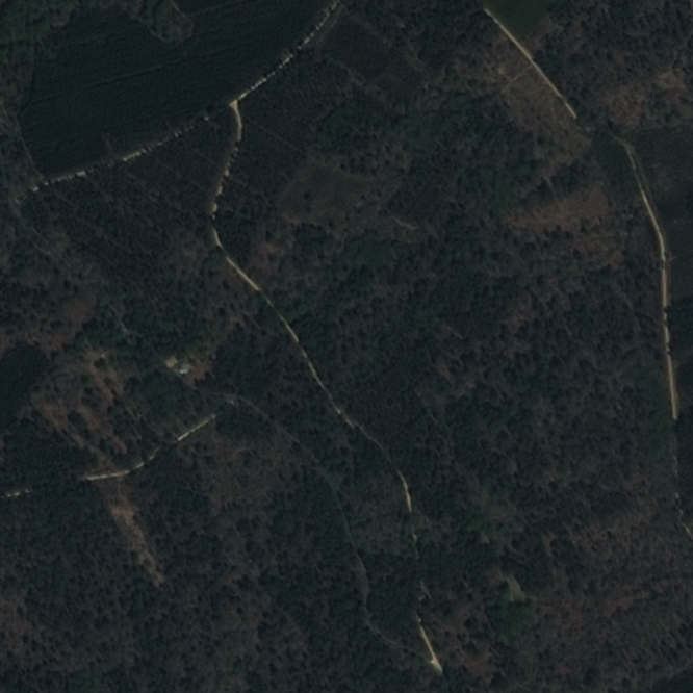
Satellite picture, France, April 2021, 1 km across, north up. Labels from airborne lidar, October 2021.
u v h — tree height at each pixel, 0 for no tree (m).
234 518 17
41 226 16
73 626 26
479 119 17
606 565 10
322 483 14
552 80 23
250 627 13
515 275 16
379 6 21
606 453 14
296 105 13
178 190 17
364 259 14
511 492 19
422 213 17
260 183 17
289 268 15
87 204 20
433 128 15
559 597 10
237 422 18
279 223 13
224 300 8
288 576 16
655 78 13
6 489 17
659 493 15
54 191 15
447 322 14
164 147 19
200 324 18
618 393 16
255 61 16
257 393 17
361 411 14
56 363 18
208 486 12
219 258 11
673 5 6
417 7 9
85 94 12
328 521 23
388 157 7
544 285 19
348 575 24
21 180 10
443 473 13
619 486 22
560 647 6
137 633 8
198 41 12
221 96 14
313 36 15
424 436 17
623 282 13
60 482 22
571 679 13
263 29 13
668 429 20
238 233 18
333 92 18
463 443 18
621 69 7
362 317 22
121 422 18
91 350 13
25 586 15
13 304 17
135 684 7
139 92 16
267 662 9
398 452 18
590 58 16
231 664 14
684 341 22
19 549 22
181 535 15
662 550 9
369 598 10
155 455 8
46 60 13
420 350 18
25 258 14
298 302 13
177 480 18
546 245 7
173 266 6
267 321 22
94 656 27
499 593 18
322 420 22
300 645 10
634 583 12
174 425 13
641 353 17
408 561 13
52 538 15
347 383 12
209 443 6
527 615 16
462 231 22
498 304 14
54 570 18
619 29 20
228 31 11
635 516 17
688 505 20
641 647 15
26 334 8
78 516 17
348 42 8
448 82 12
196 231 16
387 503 8
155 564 7
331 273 13
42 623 16
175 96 13
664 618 16
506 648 15
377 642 19
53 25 14
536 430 13
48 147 11
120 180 17
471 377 19
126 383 10
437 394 17
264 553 7
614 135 19
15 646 6
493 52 6
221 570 20
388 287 10
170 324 13
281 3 14
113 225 19
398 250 16
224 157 15
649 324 24
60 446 19
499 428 20
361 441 19
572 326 25
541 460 24
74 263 13
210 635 17
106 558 12
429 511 17
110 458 18
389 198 6
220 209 16
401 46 20
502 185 16
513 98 0
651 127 8
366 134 14
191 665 18
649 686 14
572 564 26
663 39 14
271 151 14
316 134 9
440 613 13
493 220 22
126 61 14
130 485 7
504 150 19
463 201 11
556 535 16
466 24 9
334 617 16
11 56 11
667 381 12
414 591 24
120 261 17
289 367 12
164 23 9
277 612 14
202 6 15
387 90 8
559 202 9
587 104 25
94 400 23
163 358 21
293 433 17
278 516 10
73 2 18
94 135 12
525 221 11
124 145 15
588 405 13
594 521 14
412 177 15
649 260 9
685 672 9
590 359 14
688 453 18
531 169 21
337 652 14
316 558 16
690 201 11
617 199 12
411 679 24
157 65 14
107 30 15
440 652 21
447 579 26
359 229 7
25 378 13
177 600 18
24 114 15
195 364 9
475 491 14
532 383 14
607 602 12
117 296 16
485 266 26
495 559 22
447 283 16
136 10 18
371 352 14
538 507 21
